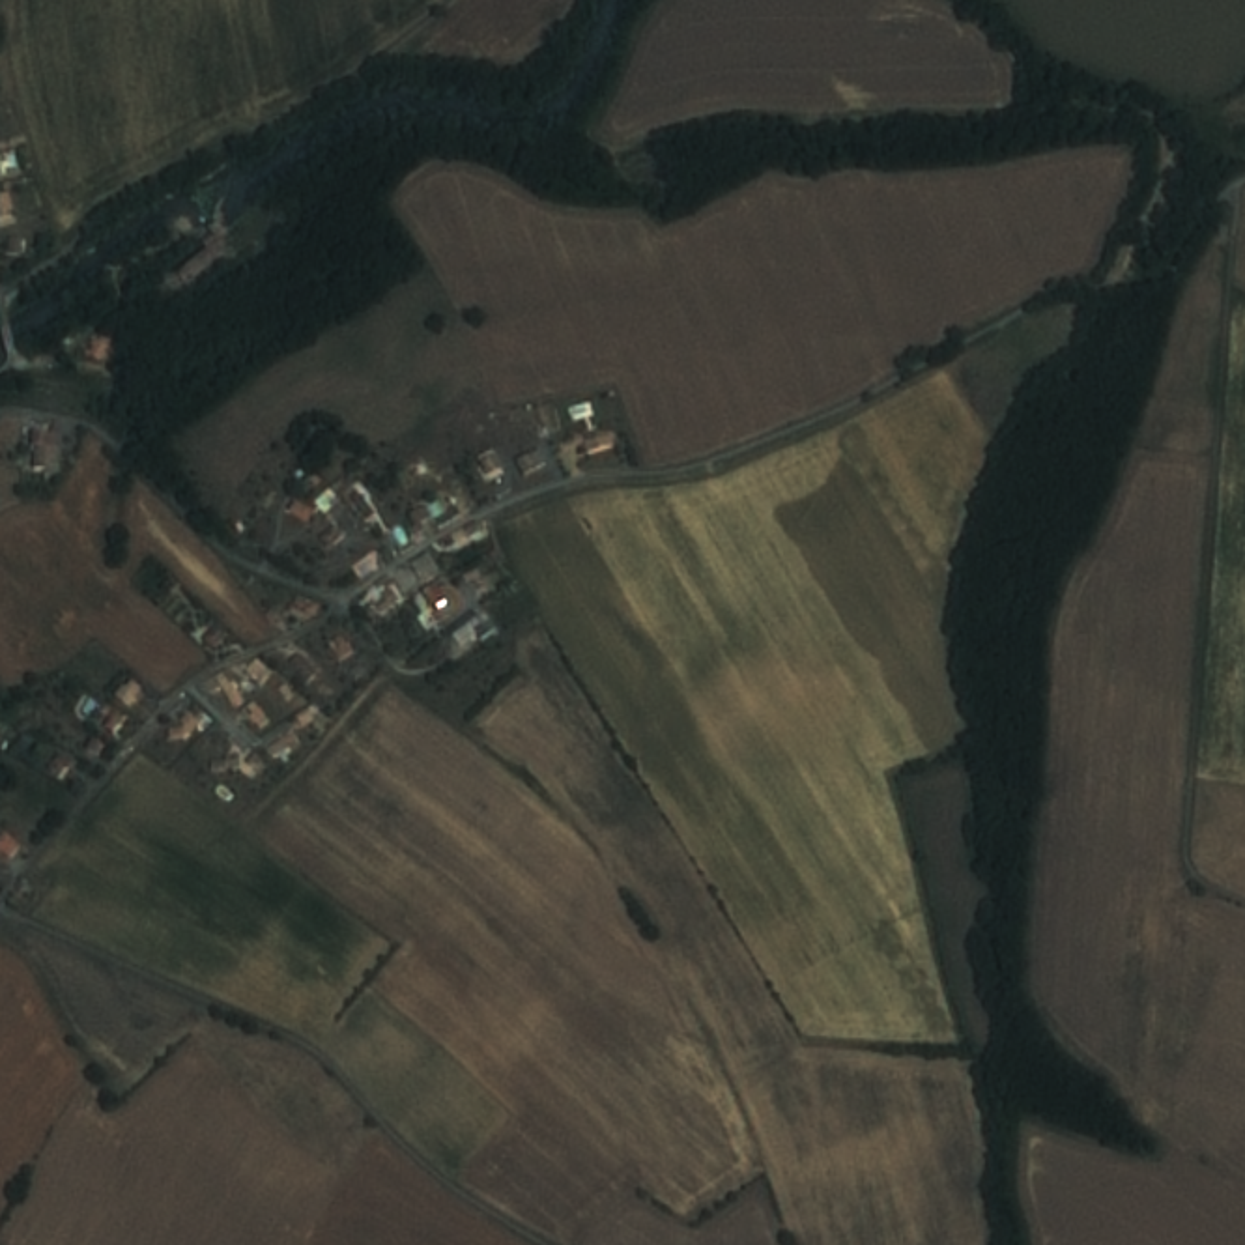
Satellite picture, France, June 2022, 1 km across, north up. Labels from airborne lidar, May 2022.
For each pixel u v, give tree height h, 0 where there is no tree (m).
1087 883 0
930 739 0
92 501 0
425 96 13
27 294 18
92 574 0
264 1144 0
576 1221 0
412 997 0
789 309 0
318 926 0
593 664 0
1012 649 27
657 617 0
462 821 0
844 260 0
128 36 0
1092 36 0
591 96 16
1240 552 0
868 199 0
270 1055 0
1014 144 19
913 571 0
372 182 16
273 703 0
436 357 0
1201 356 0
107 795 0
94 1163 0
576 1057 0
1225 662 0
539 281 0
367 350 0
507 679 8
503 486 0
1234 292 0
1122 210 8
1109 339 23
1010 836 29
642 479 0
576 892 0
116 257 21
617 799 0
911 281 0
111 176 0
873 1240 0
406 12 0
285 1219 0
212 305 16
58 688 6
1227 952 0
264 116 0
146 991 0
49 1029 0
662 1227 0
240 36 0
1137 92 22
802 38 0
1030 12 0
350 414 0
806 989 0
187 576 0
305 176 24
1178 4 0
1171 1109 0
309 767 0
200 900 0
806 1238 0
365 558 0
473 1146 0
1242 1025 0
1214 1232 0
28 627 0
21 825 0
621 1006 0
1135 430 17
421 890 0
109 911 0
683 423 0
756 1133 0
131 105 0
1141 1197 0
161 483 16
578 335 0
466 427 0
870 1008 0
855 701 0
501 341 0
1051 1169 0
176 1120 0
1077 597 0
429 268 9
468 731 0
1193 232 14
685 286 0
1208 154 18
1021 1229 8
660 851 0
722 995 0
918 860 9
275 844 0
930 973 0
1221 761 0
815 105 0
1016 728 26
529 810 0
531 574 0
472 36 0
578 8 11
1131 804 0
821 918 0
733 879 0
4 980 0
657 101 0
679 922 0
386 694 0
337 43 0
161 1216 0
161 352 8
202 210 0
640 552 0
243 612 0
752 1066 0
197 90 0
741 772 0
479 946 0
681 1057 0
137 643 0
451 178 0
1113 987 0
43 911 0
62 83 0
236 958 0
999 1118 19
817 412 0
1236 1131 0
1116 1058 0
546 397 0
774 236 0
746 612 0
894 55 0
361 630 7
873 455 0
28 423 0
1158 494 0
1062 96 15
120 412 19
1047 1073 21
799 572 0
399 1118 0
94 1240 0
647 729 0
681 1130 0
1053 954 0
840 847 0
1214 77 0
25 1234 0
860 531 0
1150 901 0
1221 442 0
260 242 0
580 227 0
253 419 0
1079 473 24
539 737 0
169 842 0
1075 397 23
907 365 14
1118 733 0
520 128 23
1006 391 0
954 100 0
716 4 0
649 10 11
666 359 0
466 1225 0
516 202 0
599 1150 0
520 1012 0
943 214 0
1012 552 25
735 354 0
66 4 0
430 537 0
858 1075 0
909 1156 0
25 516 0
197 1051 0
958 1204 0
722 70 0
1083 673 0
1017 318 0
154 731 0
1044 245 0
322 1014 0
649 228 0
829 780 0
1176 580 0
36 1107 0
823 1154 0
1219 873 0
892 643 0
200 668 0
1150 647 0
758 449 0
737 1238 0
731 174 18
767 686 0
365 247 15
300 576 7
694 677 0
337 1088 0
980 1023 0
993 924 16
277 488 0
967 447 0
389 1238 0
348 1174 0
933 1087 0
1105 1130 17
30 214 0
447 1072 0
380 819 0
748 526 0
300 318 23
